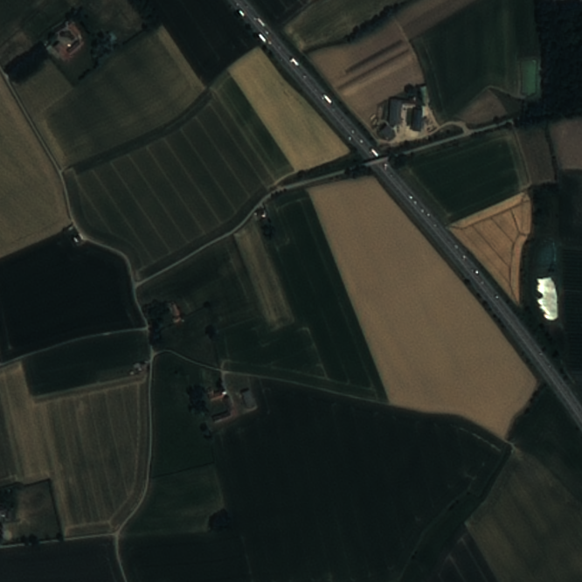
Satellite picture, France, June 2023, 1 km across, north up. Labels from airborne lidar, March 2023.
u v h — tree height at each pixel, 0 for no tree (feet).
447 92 0
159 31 0
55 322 0
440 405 0
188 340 0
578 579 0
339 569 0
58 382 0
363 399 0
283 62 0
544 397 0
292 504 0
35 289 0
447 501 0
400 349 0
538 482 0
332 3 0
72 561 0
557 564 0
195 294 0
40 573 0
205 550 0
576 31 48
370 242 0
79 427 0
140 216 0
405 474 0
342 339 0
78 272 0
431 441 0
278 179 0
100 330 0
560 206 0
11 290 0
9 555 0
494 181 0
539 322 0
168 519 0
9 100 0
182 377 0
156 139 0
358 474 0
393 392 0
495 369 0
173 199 0
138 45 0
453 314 0
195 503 0
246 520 0
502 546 0
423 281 0
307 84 0
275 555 0
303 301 0
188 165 0
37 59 52
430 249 0
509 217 0
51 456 0
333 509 0
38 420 0
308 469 0
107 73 0
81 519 0
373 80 0
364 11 0
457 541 0
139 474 0
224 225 0
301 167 0
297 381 0
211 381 0
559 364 0
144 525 0
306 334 0
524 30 0
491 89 0
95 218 0
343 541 0
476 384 0
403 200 0
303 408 0
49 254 0
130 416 0
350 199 0
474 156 0
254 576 0
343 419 0
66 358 0
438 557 0
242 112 0
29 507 0
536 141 0
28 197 0
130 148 0
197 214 0
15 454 0
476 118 0
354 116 0
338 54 0
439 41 0
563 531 0
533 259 0
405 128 0
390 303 0
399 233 0
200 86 0
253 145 0
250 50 0
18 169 0
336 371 0
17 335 0
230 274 0
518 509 0
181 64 0
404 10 0
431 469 0
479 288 0
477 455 0
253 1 0
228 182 0
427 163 0
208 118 0
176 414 0
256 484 0
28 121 0
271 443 0
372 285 0
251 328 0
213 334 80
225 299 0
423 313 0
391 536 0
